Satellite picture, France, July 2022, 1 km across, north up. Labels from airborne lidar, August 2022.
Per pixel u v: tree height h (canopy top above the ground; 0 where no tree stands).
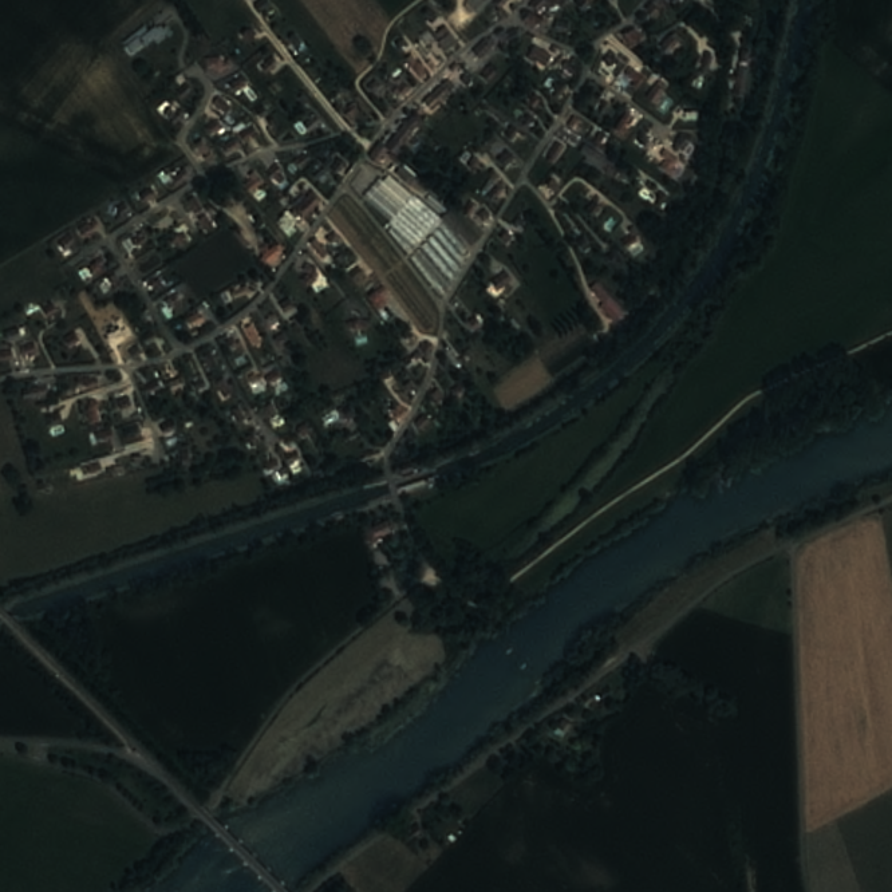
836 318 0
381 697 0
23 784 0
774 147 0
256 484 0
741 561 0
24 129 0
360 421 12
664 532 0
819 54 33
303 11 0
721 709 16
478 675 0
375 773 0
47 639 10
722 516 0
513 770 13
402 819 26
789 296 0
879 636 0
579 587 0
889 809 0
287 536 11
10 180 0
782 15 14
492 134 8
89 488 0
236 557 14
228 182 19
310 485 15
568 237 8
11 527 0
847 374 31
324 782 0
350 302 0
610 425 0
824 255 0
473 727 0
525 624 0
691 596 0
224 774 8
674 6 9
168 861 13
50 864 0
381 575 18
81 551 0
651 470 0
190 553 0
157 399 9
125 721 10
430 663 0
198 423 0
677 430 0
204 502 0
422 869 0
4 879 0
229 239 0
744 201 0
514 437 0
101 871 0
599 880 0
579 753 6
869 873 0
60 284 0
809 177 0
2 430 0
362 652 0
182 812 15
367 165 0
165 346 0
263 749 0
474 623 17
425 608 19
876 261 0
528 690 0
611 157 18
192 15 7
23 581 11
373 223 0
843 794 0
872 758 0
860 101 0
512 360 6
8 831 0
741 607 0
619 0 0
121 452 0
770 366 0
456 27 0
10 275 0
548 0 0
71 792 0
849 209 0
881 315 0
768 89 10
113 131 0
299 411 12
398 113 0
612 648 17
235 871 0
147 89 0
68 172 0
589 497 17
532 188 0
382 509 8
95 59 0
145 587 18
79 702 9
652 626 0
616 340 23
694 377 0
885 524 0
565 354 0
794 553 0
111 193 0
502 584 28
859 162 0
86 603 15
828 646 0
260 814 0
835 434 0
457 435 10
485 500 0
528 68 6
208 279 0
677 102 0
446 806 8
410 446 15
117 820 0
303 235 0
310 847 0
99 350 9
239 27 0
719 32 10
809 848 0
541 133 13
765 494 0
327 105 0
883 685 0
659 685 16
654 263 20
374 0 0
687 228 26
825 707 0
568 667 12
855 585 0
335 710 0
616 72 0
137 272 0
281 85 0
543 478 0
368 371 7
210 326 7
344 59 0
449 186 8
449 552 0
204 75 0
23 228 0
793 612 0
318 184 5
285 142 0
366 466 15
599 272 7
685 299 0
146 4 0
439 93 0
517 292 0
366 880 0
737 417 0
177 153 0
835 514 16
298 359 15
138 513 0
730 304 8
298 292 0
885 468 0
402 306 0
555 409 0
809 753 0
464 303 0
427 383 0
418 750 0
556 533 7
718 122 20
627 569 0
